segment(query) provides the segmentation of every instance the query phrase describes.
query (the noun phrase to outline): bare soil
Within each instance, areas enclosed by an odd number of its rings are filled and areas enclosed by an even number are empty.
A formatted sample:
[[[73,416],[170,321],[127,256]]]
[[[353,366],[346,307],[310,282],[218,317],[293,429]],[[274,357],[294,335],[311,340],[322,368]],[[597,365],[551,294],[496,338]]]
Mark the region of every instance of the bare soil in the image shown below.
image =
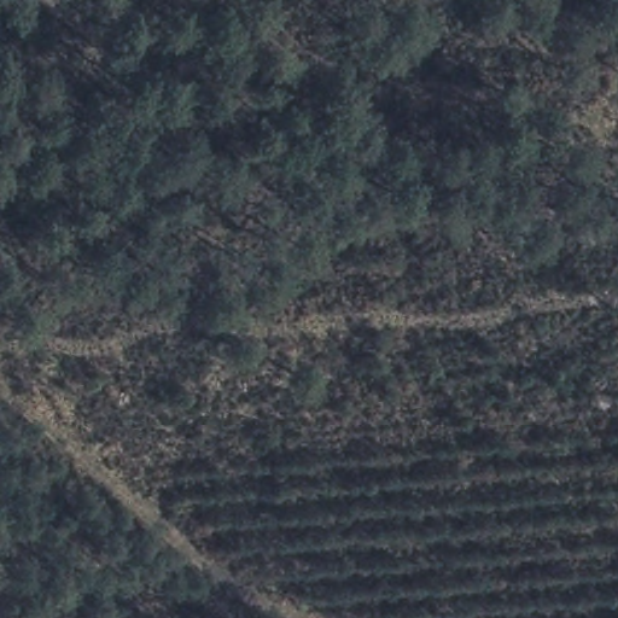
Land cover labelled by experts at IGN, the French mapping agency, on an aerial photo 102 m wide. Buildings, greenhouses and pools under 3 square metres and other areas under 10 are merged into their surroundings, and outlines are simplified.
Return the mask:
[[[290,604],[282,596],[261,594],[258,599],[253,599],[253,594],[246,589],[244,601],[258,606],[268,618],[299,618],[295,613],[295,604]]]
[[[159,502],[155,497],[142,497],[133,492],[123,483],[121,471],[104,466],[101,459],[121,454],[121,444],[82,444],[77,439],[65,447],[65,454],[75,459],[75,466],[77,473],[92,478],[104,485],[121,500],[126,509],[135,512],[145,526],[157,521],[159,514]]]
[[[183,553],[196,570],[208,570],[208,575],[212,577],[208,582],[210,589],[215,589],[220,582],[241,582],[241,577],[239,572],[229,572],[229,567],[212,555],[198,553],[179,529],[174,526],[171,531],[167,531],[164,541],[174,546],[179,553]]]

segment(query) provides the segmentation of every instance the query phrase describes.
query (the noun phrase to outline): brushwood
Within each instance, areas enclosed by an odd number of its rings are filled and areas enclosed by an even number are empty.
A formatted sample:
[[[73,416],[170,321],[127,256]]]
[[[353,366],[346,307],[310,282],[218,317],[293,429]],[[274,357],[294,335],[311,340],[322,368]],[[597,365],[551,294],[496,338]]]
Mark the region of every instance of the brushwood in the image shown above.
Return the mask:
[[[536,186],[543,193],[543,205],[548,210],[555,210],[558,215],[570,210],[565,152],[555,138],[548,128],[538,133]]]
[[[579,14],[579,19],[587,27],[596,27],[606,14],[616,17],[616,12],[608,7],[608,0],[560,0],[560,10],[572,17]]]
[[[19,121],[24,123],[29,135],[48,133],[46,121],[41,116],[24,113]]]
[[[46,169],[46,147],[34,147],[29,159],[17,167],[14,179],[31,179]]]
[[[72,311],[68,311],[65,319],[56,323],[51,336],[72,340],[106,340],[116,336],[116,331],[133,331],[145,319],[155,319],[159,314],[152,307],[152,302],[138,314],[130,314],[130,299],[121,297],[116,302],[104,302],[99,309],[87,309],[87,316],[75,316]]]
[[[345,613],[345,618],[418,618],[415,611],[435,608],[437,599],[413,599],[357,604]]]
[[[77,473],[75,466],[68,468],[68,476],[53,483],[43,495],[56,509],[56,526],[63,526],[80,509],[80,500],[87,500],[87,480],[92,478]]]
[[[396,14],[406,0],[280,0],[285,19],[268,46],[275,46],[282,53],[287,46],[295,46],[295,56],[304,60],[307,70],[302,72],[297,84],[285,87],[285,101],[280,109],[266,106],[270,80],[263,80],[256,72],[251,72],[251,77],[246,80],[246,89],[237,97],[234,104],[237,121],[229,126],[215,126],[212,113],[215,101],[220,97],[217,72],[222,70],[222,60],[205,63],[205,58],[196,56],[191,48],[183,53],[174,53],[157,51],[150,43],[133,70],[118,72],[111,70],[111,60],[116,58],[113,41],[130,31],[135,17],[145,17],[150,34],[164,27],[174,27],[176,31],[181,31],[188,17],[196,17],[200,24],[205,17],[217,17],[225,7],[237,7],[241,0],[60,0],[48,10],[39,10],[34,29],[27,36],[19,36],[12,19],[14,14],[24,12],[27,0],[0,0],[0,58],[7,63],[7,56],[12,53],[22,65],[22,75],[34,84],[39,84],[41,77],[60,77],[65,101],[72,109],[72,121],[87,123],[89,128],[101,123],[106,116],[130,116],[145,87],[152,87],[155,82],[174,82],[176,87],[186,82],[193,87],[193,111],[186,126],[162,133],[152,121],[147,121],[145,126],[135,128],[126,145],[106,159],[106,174],[113,183],[113,191],[106,203],[80,198],[80,176],[77,171],[68,171],[63,176],[63,183],[46,198],[14,193],[14,198],[0,205],[0,244],[14,258],[19,273],[24,275],[22,290],[29,295],[17,307],[0,307],[0,340],[27,338],[31,328],[29,311],[36,304],[34,297],[48,295],[53,290],[65,290],[68,285],[72,285],[70,268],[84,275],[104,273],[104,263],[113,251],[123,251],[128,261],[138,258],[140,246],[147,241],[150,227],[140,222],[135,215],[123,220],[118,212],[128,196],[126,176],[121,174],[121,169],[138,159],[140,142],[147,138],[155,140],[155,145],[147,167],[138,174],[138,191],[142,203],[164,215],[203,205],[200,220],[196,220],[191,227],[167,232],[174,246],[188,246],[193,251],[188,261],[188,302],[181,311],[183,319],[179,321],[176,333],[155,333],[123,348],[126,360],[130,360],[130,367],[121,367],[113,355],[87,357],[94,372],[99,372],[101,367],[109,369],[111,381],[99,393],[94,393],[92,398],[80,398],[75,406],[75,415],[92,422],[94,427],[92,432],[77,427],[77,439],[82,444],[121,444],[121,454],[101,459],[104,466],[121,471],[123,483],[133,492],[142,497],[155,497],[159,502],[159,514],[169,519],[171,505],[176,500],[193,495],[225,495],[246,490],[275,492],[282,488],[297,490],[336,485],[333,497],[290,502],[237,502],[191,509],[183,519],[183,526],[179,529],[198,553],[212,555],[220,548],[234,548],[246,543],[270,546],[295,541],[321,541],[333,536],[355,536],[355,546],[345,550],[239,558],[229,567],[229,572],[239,572],[241,577],[244,572],[316,570],[352,562],[352,575],[348,579],[280,582],[278,591],[282,596],[290,604],[295,604],[295,613],[299,618],[326,618],[328,613],[319,606],[314,596],[374,589],[468,584],[478,579],[497,579],[495,591],[447,596],[451,601],[451,608],[618,596],[618,582],[575,584],[567,589],[507,589],[507,579],[618,572],[618,555],[584,558],[575,562],[553,560],[473,570],[459,570],[456,558],[492,558],[502,553],[536,553],[555,548],[618,543],[618,526],[594,531],[558,531],[548,536],[526,538],[524,524],[618,514],[618,476],[599,473],[560,480],[526,478],[517,483],[490,483],[447,490],[391,490],[357,497],[352,495],[352,485],[391,478],[449,476],[454,473],[451,461],[439,461],[439,451],[444,449],[464,449],[459,466],[466,466],[473,473],[507,473],[512,468],[524,466],[567,466],[591,464],[601,459],[618,461],[618,389],[601,391],[604,398],[596,401],[596,406],[601,408],[601,413],[591,420],[579,420],[579,413],[572,413],[575,401],[565,401],[562,393],[538,403],[529,413],[512,418],[502,410],[509,379],[500,374],[495,384],[471,386],[471,410],[480,413],[483,401],[490,398],[492,410],[488,410],[488,427],[466,432],[464,420],[454,408],[451,398],[447,398],[442,406],[430,408],[430,398],[420,391],[418,381],[408,384],[408,396],[398,406],[391,406],[391,401],[386,398],[386,384],[377,374],[374,362],[379,348],[377,328],[369,321],[345,319],[345,340],[328,328],[323,336],[323,350],[314,348],[316,336],[311,333],[302,333],[299,338],[273,336],[275,323],[295,323],[304,314],[328,314],[348,299],[355,311],[365,311],[374,302],[379,302],[384,309],[393,311],[403,311],[413,304],[418,314],[432,314],[432,311],[437,309],[437,302],[439,302],[439,299],[444,299],[444,297],[456,297],[456,299],[459,299],[459,309],[461,309],[464,314],[505,307],[517,290],[526,292],[529,297],[541,297],[546,290],[555,290],[562,295],[594,295],[596,290],[608,287],[618,292],[618,147],[604,147],[604,155],[604,183],[591,210],[584,212],[582,220],[565,222],[560,217],[560,222],[555,222],[562,232],[562,244],[558,251],[558,261],[553,266],[529,268],[526,263],[517,261],[517,251],[512,246],[500,246],[492,239],[485,239],[483,234],[473,234],[466,249],[454,244],[447,232],[437,229],[427,229],[420,241],[413,237],[413,232],[389,232],[365,244],[350,244],[345,251],[331,258],[331,268],[323,280],[302,287],[287,307],[278,309],[268,319],[270,326],[263,338],[266,360],[261,369],[256,374],[229,374],[229,379],[222,381],[217,391],[208,389],[203,379],[208,374],[212,357],[225,360],[241,355],[241,338],[237,333],[215,333],[212,319],[200,319],[210,307],[205,292],[208,282],[217,275],[220,256],[225,253],[232,258],[229,275],[237,275],[249,292],[266,282],[266,278],[261,275],[261,263],[273,261],[273,246],[278,244],[287,244],[287,249],[295,253],[299,263],[316,261],[311,256],[309,239],[302,237],[302,229],[297,225],[302,215],[307,215],[307,210],[302,208],[304,183],[299,179],[285,176],[285,164],[292,157],[307,157],[316,142],[323,145],[333,140],[333,130],[328,126],[333,123],[333,118],[326,113],[326,106],[340,104],[345,65],[338,63],[336,56],[323,46],[326,34],[336,22],[348,17],[350,12],[381,7],[389,14]],[[268,118],[273,128],[282,133],[285,150],[270,162],[251,164],[249,174],[256,179],[258,186],[246,193],[241,205],[227,208],[222,203],[222,191],[234,181],[239,159],[258,150],[258,126],[263,118]],[[198,138],[205,138],[212,152],[208,171],[200,176],[196,188],[179,188],[176,193],[169,193],[164,198],[157,196],[155,183],[169,176],[174,167],[179,169],[183,155],[188,152],[188,145]],[[68,256],[56,258],[51,225],[87,225],[92,215],[106,215],[109,232],[97,239],[77,239]],[[584,234],[587,229],[596,232],[608,217],[613,220],[613,234],[608,244],[596,249],[582,249],[579,234]],[[432,282],[422,282],[420,278],[425,261],[435,253],[451,256],[456,268],[449,273],[437,270]],[[357,261],[369,258],[391,263],[396,261],[396,256],[406,258],[406,270],[398,278],[379,273],[357,275],[352,266]],[[326,377],[323,403],[292,401],[292,393],[299,386],[290,381],[290,377],[297,369],[297,360],[309,372],[316,365],[321,365]],[[179,386],[203,398],[198,420],[183,420],[181,415],[176,415]],[[507,442],[519,442],[517,456],[492,456],[473,461],[466,451],[483,444]],[[278,468],[285,464],[348,456],[389,456],[408,451],[422,451],[422,461],[408,466],[328,468],[314,476],[278,476]],[[174,485],[174,476],[181,471],[205,471],[215,466],[227,466],[227,480]],[[512,509],[495,514],[425,517],[403,521],[367,519],[352,524],[222,534],[215,534],[208,524],[217,519],[326,514],[365,507],[485,502],[550,492],[570,492],[570,502],[565,505]],[[509,526],[509,536],[500,541],[439,541],[415,548],[372,546],[372,538],[377,534],[425,534],[444,526],[454,531]],[[393,577],[379,577],[379,567],[381,567],[381,565],[389,565],[389,562],[410,562],[410,572],[406,572],[406,575],[393,575]]]
[[[126,509],[121,500],[104,485],[97,492],[104,502],[104,512],[123,514]]]
[[[509,128],[509,118],[502,104],[514,82],[524,82],[531,97],[546,94],[546,116],[553,109],[570,113],[584,111],[589,104],[594,104],[608,89],[608,70],[618,72],[618,51],[594,48],[599,63],[599,80],[589,92],[572,94],[572,84],[579,75],[575,58],[570,53],[567,58],[562,58],[560,53],[548,51],[548,41],[536,43],[529,51],[529,43],[524,41],[531,34],[531,22],[538,12],[531,7],[531,0],[422,0],[430,14],[442,14],[447,19],[447,27],[439,34],[435,48],[418,65],[413,65],[408,75],[401,77],[379,77],[377,72],[365,68],[355,72],[357,82],[372,87],[372,111],[381,116],[384,126],[384,152],[374,164],[362,169],[360,176],[369,186],[379,188],[381,196],[389,198],[389,205],[410,200],[408,186],[396,179],[396,164],[401,164],[406,157],[401,152],[403,138],[410,140],[418,150],[420,179],[430,188],[427,205],[432,210],[449,210],[451,198],[456,196],[454,188],[447,183],[447,164],[459,150],[485,145],[517,145],[519,135]],[[488,43],[483,27],[495,24],[500,12],[509,2],[517,12],[517,29],[509,31],[497,46],[492,46]]]
[[[126,579],[133,565],[126,558],[123,562],[111,562],[101,567],[99,572],[109,579]]]
[[[582,362],[582,369],[572,379],[572,398],[584,396],[587,381],[596,372],[601,372],[601,365],[606,362],[599,355],[599,343],[618,336],[618,307],[608,304],[606,299],[601,304],[582,309],[538,311],[541,319],[550,323],[550,333],[543,338],[538,328],[519,328],[517,345],[524,355],[519,365],[531,365],[529,357],[531,352],[536,352],[538,343],[553,345],[555,350],[565,348],[572,362]]]
[[[215,589],[210,589],[208,599],[179,601],[164,618],[268,618],[258,606],[244,601],[246,589],[241,582],[220,582]]]
[[[101,596],[87,591],[77,601],[77,608],[70,618],[97,618],[97,604],[101,601]]]
[[[36,541],[12,546],[10,553],[0,560],[0,567],[12,577],[19,572],[24,562],[36,562],[46,572],[58,570],[58,565],[51,555],[53,548],[43,548]]]
[[[92,519],[87,519],[77,526],[72,536],[82,550],[87,550],[87,555],[94,558],[109,548],[94,531]]]

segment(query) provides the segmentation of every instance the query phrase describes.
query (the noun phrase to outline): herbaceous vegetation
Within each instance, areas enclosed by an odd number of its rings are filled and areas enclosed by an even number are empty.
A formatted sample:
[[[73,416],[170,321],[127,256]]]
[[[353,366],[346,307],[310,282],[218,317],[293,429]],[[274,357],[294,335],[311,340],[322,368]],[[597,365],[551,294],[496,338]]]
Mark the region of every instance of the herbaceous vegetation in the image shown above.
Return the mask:
[[[604,155],[604,147],[618,147],[618,72],[608,70],[608,89],[594,104],[589,104],[584,111],[570,113],[567,133],[560,133],[555,138],[565,152],[570,147],[579,147],[587,155]]]
[[[304,314],[295,323],[275,323],[273,336],[299,338],[302,333],[311,333],[316,336],[314,348],[323,350],[323,336],[328,328],[345,340],[345,319],[369,321],[377,328],[492,328],[509,316],[514,307],[529,309],[531,314],[538,311],[582,309],[601,304],[606,299],[608,304],[618,307],[618,292],[608,287],[596,290],[594,295],[562,295],[555,290],[546,290],[541,297],[529,297],[526,292],[517,290],[505,307],[464,314],[432,314],[418,314],[413,304],[403,311],[393,311],[384,309],[379,302],[374,302],[365,311],[355,311],[348,299],[328,314]]]
[[[72,340],[51,336],[43,343],[46,350],[41,372],[22,381],[22,386],[31,389],[31,393],[19,393],[17,362],[2,372],[0,355],[0,398],[17,413],[22,413],[27,420],[39,422],[43,427],[46,439],[53,442],[53,451],[65,454],[65,447],[77,439],[77,427],[92,432],[94,427],[92,422],[75,415],[75,406],[65,398],[65,393],[58,386],[51,384],[51,377],[56,377],[63,355],[87,357],[113,355],[121,367],[130,367],[130,360],[126,360],[123,348],[155,333],[176,333],[179,321],[183,319],[181,311],[159,314],[155,319],[145,319],[133,331],[116,331],[116,336],[106,340]]]
[[[222,365],[225,360],[212,357],[208,374],[203,379],[208,389],[217,391],[222,381],[229,379],[229,374],[229,369]]]
[[[176,594],[171,594],[162,582],[142,584],[135,594],[130,594],[126,618],[164,618],[179,601]]]

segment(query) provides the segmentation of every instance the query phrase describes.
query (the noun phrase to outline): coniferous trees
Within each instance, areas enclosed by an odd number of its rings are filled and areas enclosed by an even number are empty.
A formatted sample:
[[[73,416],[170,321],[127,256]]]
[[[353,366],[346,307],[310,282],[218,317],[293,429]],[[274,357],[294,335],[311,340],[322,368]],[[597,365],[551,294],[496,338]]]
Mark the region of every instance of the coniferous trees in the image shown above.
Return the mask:
[[[410,572],[410,562],[389,562],[389,565],[381,565],[381,567],[379,567],[379,577],[393,577],[393,575],[406,575],[406,572]]]
[[[48,10],[60,0],[27,0],[24,12],[14,14],[12,19],[19,36],[27,36],[34,29],[39,10]]]
[[[483,444],[466,451],[473,461],[492,456],[517,456],[519,442],[507,442]]]
[[[418,618],[618,618],[618,596],[451,608],[451,601],[447,596],[495,591],[497,579],[478,579],[468,584],[374,589],[314,596],[319,606],[328,613],[326,618],[345,618],[345,613],[357,604],[413,599],[437,599],[435,608],[415,611]]]
[[[123,251],[113,251],[104,263],[104,273],[84,275],[70,268],[72,285],[68,285],[65,290],[53,290],[48,295],[34,297],[36,304],[29,311],[31,328],[27,338],[0,340],[0,355],[2,372],[17,362],[19,393],[31,393],[31,389],[22,386],[22,381],[41,372],[46,350],[43,343],[51,336],[56,323],[65,319],[68,311],[72,311],[75,316],[87,316],[87,309],[99,309],[104,302],[116,302],[121,297],[130,299],[130,314],[138,314],[152,302],[152,307],[159,314],[181,311],[188,302],[188,261],[193,251],[188,246],[174,246],[167,232],[191,227],[196,220],[200,220],[203,205],[164,215],[142,203],[138,191],[138,174],[147,167],[155,145],[155,140],[147,138],[140,142],[138,159],[121,169],[121,174],[126,176],[128,196],[118,212],[123,220],[135,215],[140,222],[150,227],[147,241],[140,246],[138,258],[128,261]]]
[[[295,46],[287,46],[282,53],[275,46],[268,46],[285,19],[280,0],[241,0],[237,7],[225,7],[217,17],[205,17],[200,24],[196,17],[188,17],[181,31],[176,31],[174,27],[164,27],[150,34],[145,17],[135,17],[130,31],[113,41],[116,58],[111,60],[111,70],[118,72],[133,70],[150,43],[157,51],[174,53],[183,53],[191,48],[196,56],[205,58],[205,63],[222,60],[222,70],[217,72],[220,97],[215,101],[212,113],[215,126],[229,126],[237,121],[234,104],[237,97],[246,89],[246,80],[251,77],[251,72],[256,72],[263,80],[270,80],[266,106],[280,109],[285,101],[285,87],[297,84],[302,72],[307,70],[304,60],[295,56]]]
[[[579,19],[579,14],[572,17],[560,10],[560,0],[531,0],[531,7],[538,12],[531,22],[531,34],[524,41],[529,43],[529,51],[536,43],[548,41],[548,51],[560,53],[562,58],[567,58],[570,53],[575,58],[579,75],[572,84],[572,94],[589,92],[599,80],[599,63],[594,48],[618,51],[618,0],[608,0],[608,7],[616,12],[616,17],[606,14],[596,27],[587,27]]]
[[[179,386],[176,415],[181,415],[183,420],[198,420],[203,398]]]
[[[179,188],[196,188],[200,176],[208,171],[212,152],[205,138],[198,138],[188,145],[188,152],[183,155],[179,169],[174,167],[169,176],[155,183],[157,196],[164,198],[169,193],[176,193]]]
[[[174,546],[164,541],[167,531],[171,531],[174,526],[179,529],[183,526],[183,519],[191,509],[237,502],[290,502],[333,497],[336,485],[297,490],[282,488],[275,492],[246,490],[225,495],[193,495],[176,500],[171,505],[169,519],[159,514],[157,521],[145,526],[135,512],[126,509],[123,514],[104,512],[104,502],[97,492],[104,485],[92,478],[87,480],[87,500],[80,500],[80,509],[63,526],[56,526],[56,509],[43,495],[53,483],[68,476],[68,468],[75,466],[75,459],[65,454],[53,451],[53,442],[46,439],[43,427],[39,422],[27,420],[22,413],[17,413],[0,398],[0,560],[10,553],[12,546],[36,541],[43,548],[53,548],[51,555],[58,565],[58,570],[46,572],[36,562],[24,562],[19,572],[12,577],[0,567],[0,618],[70,618],[77,608],[77,601],[87,591],[101,596],[101,601],[97,604],[97,618],[126,618],[130,594],[135,594],[142,584],[162,582],[171,594],[176,594],[179,601],[208,599],[210,589],[208,582],[212,577],[208,575],[208,570],[196,570],[183,553],[179,553]],[[87,519],[92,519],[94,531],[109,548],[94,558],[87,555],[87,550],[82,550],[72,536],[77,526]],[[123,562],[126,558],[133,565],[126,579],[109,579],[99,572],[101,567],[111,562]]]
[[[87,225],[51,225],[56,258],[68,256],[77,239],[97,239],[109,232],[106,215],[92,215]]]
[[[176,87],[174,82],[155,82],[152,87],[145,87],[130,116],[106,116],[101,123],[89,128],[87,123],[72,121],[72,109],[65,101],[60,77],[41,77],[39,84],[34,84],[22,75],[22,65],[12,53],[7,56],[7,63],[0,58],[0,205],[14,198],[14,193],[46,198],[63,183],[63,176],[68,171],[77,171],[80,176],[80,198],[106,203],[113,191],[113,183],[106,174],[106,159],[126,145],[135,128],[145,126],[147,121],[152,121],[162,133],[186,126],[193,111],[193,87],[186,82]],[[24,113],[41,116],[46,121],[48,133],[29,135],[24,123],[19,121]],[[14,179],[17,167],[29,159],[34,147],[46,147],[46,169],[31,179]]]
[[[406,258],[396,256],[396,261],[391,263],[369,258],[357,261],[352,266],[357,275],[379,273],[398,278],[406,270]]]
[[[473,570],[553,560],[575,562],[584,558],[618,555],[618,543],[555,548],[536,553],[502,553],[492,558],[456,558],[459,570]]]
[[[558,531],[594,531],[618,526],[618,514],[524,524],[526,538],[548,536]]]
[[[432,282],[437,270],[449,273],[456,268],[451,256],[435,253],[425,261],[420,278],[422,282]]]
[[[365,507],[326,514],[217,519],[208,524],[215,534],[222,534],[352,524],[367,519],[403,521],[425,517],[495,514],[512,509],[565,505],[570,502],[570,492],[550,492],[485,502]]]
[[[444,526],[425,534],[377,534],[372,538],[372,546],[415,548],[439,541],[500,541],[509,536],[509,526],[454,531]]]
[[[58,386],[65,393],[65,398],[75,406],[80,398],[92,398],[94,393],[99,393],[111,381],[109,369],[101,367],[99,372],[94,372],[87,357],[63,355],[56,377],[51,377],[51,384]]]
[[[509,128],[519,135],[517,145],[485,145],[459,150],[447,164],[447,183],[454,188],[456,196],[451,198],[449,210],[432,210],[427,205],[430,188],[420,179],[418,150],[410,140],[403,138],[401,152],[406,157],[401,164],[396,164],[396,179],[408,186],[410,200],[389,205],[389,198],[381,196],[379,188],[369,186],[360,176],[362,169],[374,164],[384,152],[384,126],[381,116],[372,111],[372,87],[357,82],[355,72],[365,68],[377,72],[379,77],[401,77],[408,75],[413,65],[418,65],[435,48],[439,34],[447,27],[447,19],[442,14],[430,14],[422,0],[406,0],[396,14],[389,14],[381,7],[350,12],[348,17],[336,22],[326,34],[323,46],[336,56],[338,63],[345,65],[340,104],[326,106],[326,113],[333,118],[333,123],[328,126],[333,130],[333,140],[323,145],[316,142],[307,157],[292,157],[285,164],[285,176],[299,179],[304,183],[302,208],[307,210],[307,215],[302,215],[297,225],[302,229],[302,237],[309,239],[311,256],[316,261],[299,263],[295,253],[287,249],[287,244],[278,244],[273,246],[273,261],[261,263],[261,275],[266,278],[266,282],[249,292],[237,275],[229,275],[232,258],[225,253],[220,256],[217,275],[208,282],[205,292],[210,307],[200,319],[212,319],[215,333],[237,333],[241,338],[241,355],[225,360],[222,365],[229,369],[229,374],[256,374],[261,369],[266,360],[263,338],[270,326],[268,319],[278,309],[287,307],[302,287],[323,280],[331,268],[331,258],[345,251],[350,244],[365,244],[389,232],[413,232],[413,237],[420,241],[427,229],[437,229],[447,232],[454,244],[466,249],[473,234],[483,234],[485,239],[492,239],[500,246],[512,246],[517,251],[517,261],[526,263],[529,268],[553,266],[558,261],[558,251],[562,244],[562,232],[555,222],[560,222],[560,217],[565,222],[582,220],[584,212],[591,210],[604,183],[604,155],[587,155],[579,147],[570,147],[565,152],[570,210],[558,215],[555,210],[548,210],[543,205],[543,193],[536,186],[538,133],[548,128],[555,138],[560,133],[567,133],[570,113],[553,109],[546,116],[546,94],[531,97],[524,82],[514,82],[502,104],[509,118]]]
[[[229,567],[239,558],[345,550],[355,546],[355,536],[333,536],[321,541],[295,541],[270,546],[246,543],[234,548],[220,548],[212,555]]]
[[[348,456],[285,464],[278,468],[278,476],[314,476],[328,468],[408,466],[422,461],[422,451],[408,451],[389,456]]]
[[[608,217],[596,232],[587,229],[584,234],[579,234],[582,249],[596,249],[608,244],[613,234],[613,220]]]
[[[227,480],[227,466],[215,466],[205,471],[181,471],[174,476],[174,485]]]
[[[379,348],[374,362],[377,374],[386,384],[386,398],[391,401],[391,406],[398,406],[408,396],[408,384],[418,381],[420,391],[430,398],[430,408],[442,406],[447,398],[451,398],[454,408],[464,420],[466,432],[488,427],[488,410],[492,410],[490,398],[483,401],[480,413],[471,410],[471,386],[495,384],[500,374],[509,379],[502,410],[512,418],[529,413],[538,403],[562,393],[565,401],[575,401],[572,413],[579,413],[579,420],[591,420],[601,413],[601,408],[596,406],[596,401],[604,398],[601,391],[618,389],[618,336],[599,343],[599,355],[606,362],[601,365],[601,372],[596,372],[587,381],[584,396],[572,398],[572,379],[582,369],[582,362],[572,362],[565,348],[555,350],[553,345],[538,343],[536,352],[531,352],[529,357],[531,365],[519,365],[524,355],[517,345],[519,328],[538,328],[543,338],[550,333],[550,323],[541,319],[538,311],[531,314],[529,309],[514,307],[509,316],[492,328],[377,328]]]
[[[299,386],[292,393],[292,401],[323,403],[326,377],[321,365],[316,365],[309,372],[297,360],[297,369],[290,377],[290,381]]]
[[[14,258],[0,244],[0,307],[17,307],[29,295],[22,290],[24,275],[19,273]]]
[[[618,476],[618,461],[601,459],[591,464],[567,466],[524,466],[512,468],[507,473],[473,473],[466,466],[459,466],[464,449],[444,449],[439,451],[439,461],[451,461],[454,473],[449,476],[391,478],[352,485],[352,495],[357,497],[391,490],[447,490],[490,483],[517,483],[526,478],[560,480],[599,473]]]
[[[507,589],[567,589],[575,584],[618,582],[618,572],[507,579]]]
[[[509,31],[517,29],[517,12],[509,2],[500,12],[495,24],[483,27],[488,43],[492,46],[497,46]]]
[[[282,133],[273,128],[268,118],[263,118],[258,126],[258,150],[239,159],[234,181],[222,191],[222,203],[227,208],[241,205],[246,193],[258,186],[256,179],[249,174],[251,164],[270,162],[285,150]]]
[[[437,309],[432,311],[432,314],[464,314],[461,309],[459,309],[459,299],[456,299],[456,297],[444,297],[444,299],[439,299],[439,302],[437,302]]]
[[[280,582],[348,579],[352,575],[352,562],[316,570],[244,572],[241,577],[241,582],[246,589],[253,594],[253,599],[258,599],[261,594],[282,596],[278,591]]]

